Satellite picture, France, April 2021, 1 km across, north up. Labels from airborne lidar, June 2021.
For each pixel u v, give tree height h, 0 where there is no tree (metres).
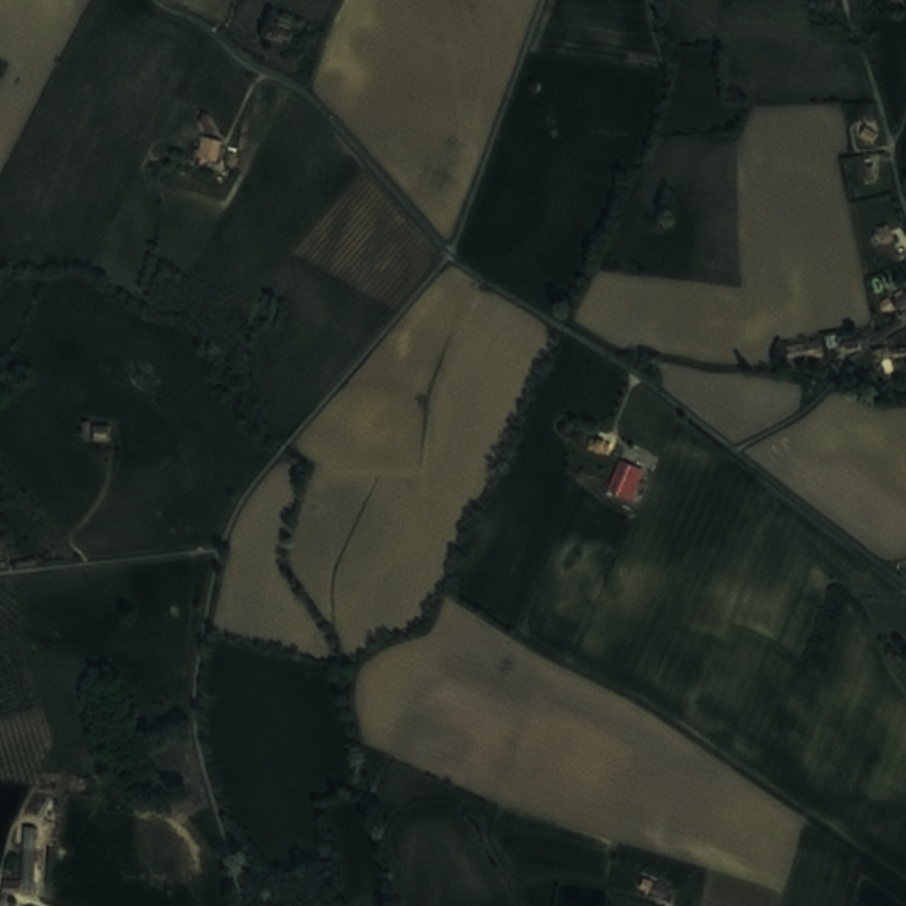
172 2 0
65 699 0
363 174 0
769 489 0
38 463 0
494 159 0
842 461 0
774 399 0
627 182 20
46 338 0
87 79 0
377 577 0
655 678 0
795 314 0
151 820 0
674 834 0
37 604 0
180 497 0
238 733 0
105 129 0
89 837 0
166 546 0
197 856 0
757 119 0
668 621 0
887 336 0
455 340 0
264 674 0
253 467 0
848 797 0
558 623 0
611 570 0
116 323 0
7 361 14
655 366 12
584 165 0
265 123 0
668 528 0
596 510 0
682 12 0
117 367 0
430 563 0
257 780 0
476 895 0
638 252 0
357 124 0
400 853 0
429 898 0
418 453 0
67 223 0
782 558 0
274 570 0
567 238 0
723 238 0
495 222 0
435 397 0
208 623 0
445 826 0
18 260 0
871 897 0
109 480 0
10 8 0
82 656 0
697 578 0
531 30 0
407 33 0
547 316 0
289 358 0
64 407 0
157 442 0
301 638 0
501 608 0
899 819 0
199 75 0
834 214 0
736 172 0
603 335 0
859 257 0
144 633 0
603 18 0
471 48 0
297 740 0
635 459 0
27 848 0
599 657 0
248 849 15
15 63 0
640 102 0
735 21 0
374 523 0
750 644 0
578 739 0
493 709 0
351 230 0
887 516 0
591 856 0
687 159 0
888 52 0
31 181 0
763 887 0
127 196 0
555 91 0
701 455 0
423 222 0
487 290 0
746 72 0
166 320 14
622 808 0
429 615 11
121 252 0
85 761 0
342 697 19
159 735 21
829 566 0
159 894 0
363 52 0
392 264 0
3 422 0
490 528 0
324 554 0
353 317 0
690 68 0
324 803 13
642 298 0
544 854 0
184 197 0
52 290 0
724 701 0
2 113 0
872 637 0
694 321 0
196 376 0
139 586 0
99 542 0
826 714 0
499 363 0
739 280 0
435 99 0
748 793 0
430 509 0
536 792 0
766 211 0
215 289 5
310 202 0
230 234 0
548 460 0
